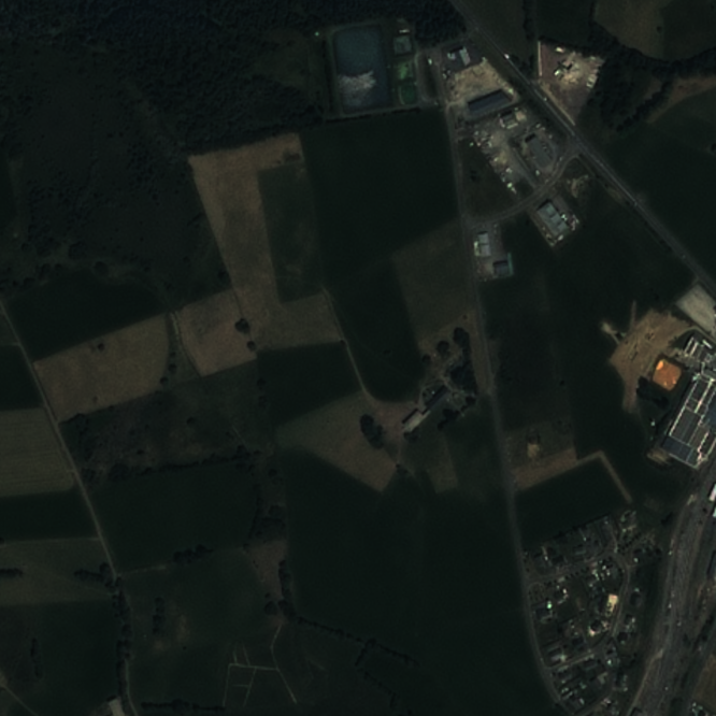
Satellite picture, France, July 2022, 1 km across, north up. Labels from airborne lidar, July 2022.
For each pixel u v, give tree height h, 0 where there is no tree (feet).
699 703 0
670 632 0
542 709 0
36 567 0
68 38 21
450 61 0
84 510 0
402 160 0
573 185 0
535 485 0
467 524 0
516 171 0
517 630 0
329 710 0
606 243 0
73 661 0
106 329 0
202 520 0
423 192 0
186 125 25
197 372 0
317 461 0
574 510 0
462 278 0
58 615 0
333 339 0
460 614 0
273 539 0
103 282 0
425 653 0
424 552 0
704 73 40
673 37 0
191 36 68
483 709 0
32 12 57
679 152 0
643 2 0
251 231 0
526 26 34
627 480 0
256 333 0
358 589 0
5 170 0
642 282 0
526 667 0
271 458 0
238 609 0
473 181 26
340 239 0
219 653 0
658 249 0
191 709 40
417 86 0
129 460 0
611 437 0
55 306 0
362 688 0
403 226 0
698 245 0
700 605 0
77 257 22
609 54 34
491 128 0
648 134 0
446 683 0
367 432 68
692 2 0
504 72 0
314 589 0
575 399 0
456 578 0
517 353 0
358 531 0
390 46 0
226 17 28
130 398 0
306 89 0
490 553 0
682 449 0
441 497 0
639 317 0
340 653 0
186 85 32
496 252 0
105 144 0
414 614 0
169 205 0
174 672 0
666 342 0
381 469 0
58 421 0
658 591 0
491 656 0
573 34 0
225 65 24
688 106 0
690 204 0
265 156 0
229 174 0
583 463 0
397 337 0
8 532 0
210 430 0
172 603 0
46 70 0
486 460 0
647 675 0
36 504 0
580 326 0
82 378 0
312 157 0
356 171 0
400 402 0
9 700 0
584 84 0
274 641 0
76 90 0
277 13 49
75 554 0
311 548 0
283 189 0
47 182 0
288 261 0
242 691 0
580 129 0
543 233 0
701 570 0
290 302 0
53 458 0
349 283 0
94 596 0
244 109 25
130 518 0
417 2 87
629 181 0
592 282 0
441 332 0
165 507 0
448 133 0
